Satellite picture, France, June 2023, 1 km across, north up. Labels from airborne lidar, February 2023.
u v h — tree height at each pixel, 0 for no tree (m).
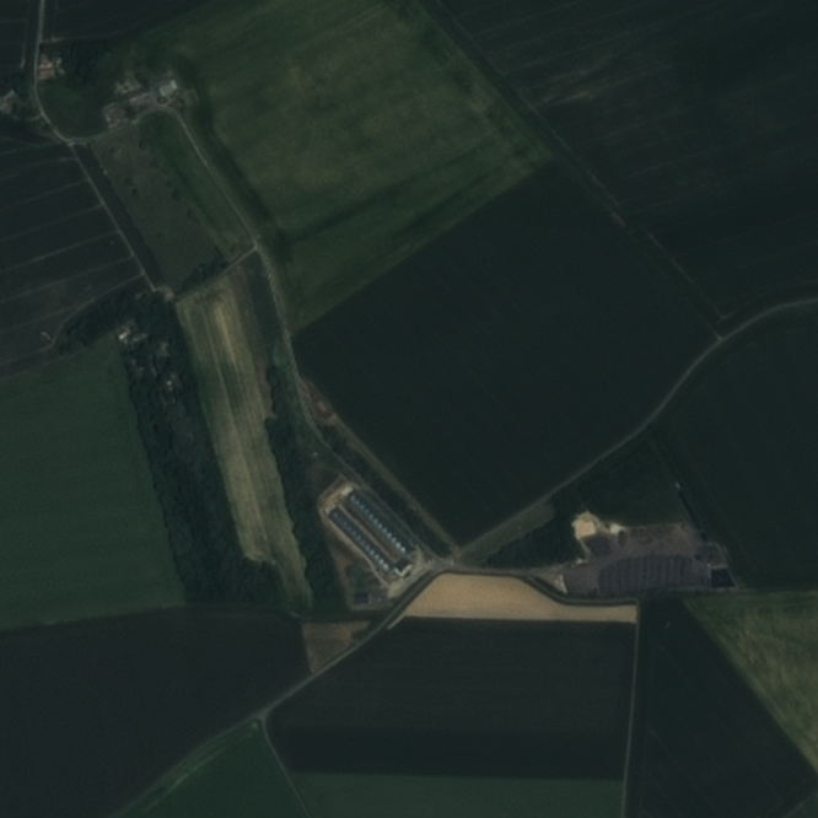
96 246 0
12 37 0
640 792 0
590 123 0
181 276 0
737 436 0
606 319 0
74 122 0
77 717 0
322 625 0
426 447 0
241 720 0
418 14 0
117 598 0
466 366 0
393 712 0
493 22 0
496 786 0
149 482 0
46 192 0
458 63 0
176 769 0
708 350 0
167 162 0
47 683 0
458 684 0
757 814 0
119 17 0
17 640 0
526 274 0
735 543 0
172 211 0
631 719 0
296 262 0
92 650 0
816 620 0
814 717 0
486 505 0
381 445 0
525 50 0
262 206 0
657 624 0
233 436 0
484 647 0
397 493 8
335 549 0
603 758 0
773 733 0
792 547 0
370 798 0
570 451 0
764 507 0
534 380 0
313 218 0
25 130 10
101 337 13
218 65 0
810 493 0
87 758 0
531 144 0
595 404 0
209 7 0
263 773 0
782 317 0
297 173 0
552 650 0
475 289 0
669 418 0
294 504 15
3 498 0
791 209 0
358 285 0
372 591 0
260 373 0
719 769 0
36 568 0
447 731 0
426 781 0
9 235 0
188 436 18
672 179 0
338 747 0
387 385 0
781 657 0
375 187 0
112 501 0
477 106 0
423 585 0
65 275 0
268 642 0
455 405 0
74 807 0
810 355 0
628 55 0
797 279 0
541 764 0
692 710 0
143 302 15
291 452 14
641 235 0
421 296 0
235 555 13
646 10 0
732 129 0
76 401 0
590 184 0
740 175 0
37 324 0
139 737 0
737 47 0
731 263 0
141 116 0
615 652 0
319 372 0
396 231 0
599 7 0
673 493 0
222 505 12
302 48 0
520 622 0
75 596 0
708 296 0
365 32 0
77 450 0
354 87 0
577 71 0
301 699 0
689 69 0
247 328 0
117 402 0
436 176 0
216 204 0
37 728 0
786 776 0
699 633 0
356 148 0
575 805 0
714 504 0
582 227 0
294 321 0
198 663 0
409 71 0
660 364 0
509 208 0
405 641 0
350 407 0
